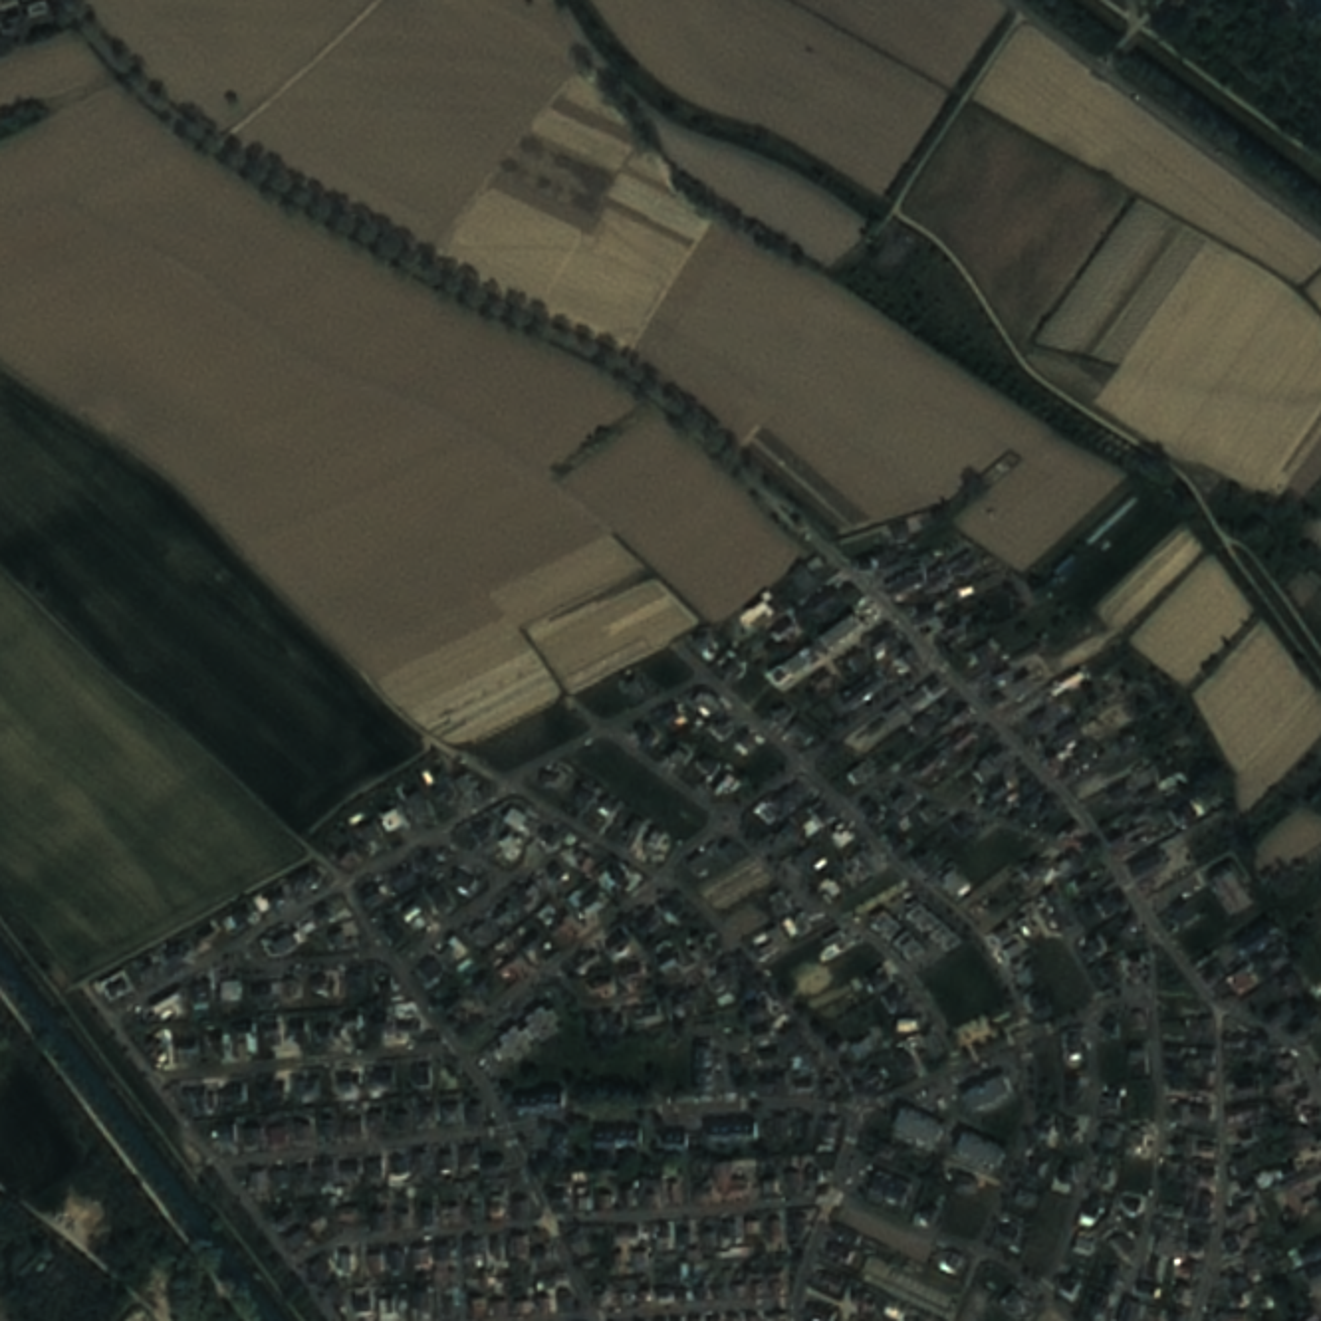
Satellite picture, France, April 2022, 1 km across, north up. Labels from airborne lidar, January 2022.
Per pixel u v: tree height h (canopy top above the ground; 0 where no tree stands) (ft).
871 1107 0
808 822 0
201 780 0
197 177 0
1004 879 0
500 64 0
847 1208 0
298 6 0
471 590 0
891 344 0
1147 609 0
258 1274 20
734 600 0
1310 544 29
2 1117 0
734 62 0
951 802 0
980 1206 0
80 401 0
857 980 0
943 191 0
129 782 0
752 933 0
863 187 0
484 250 0
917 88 0
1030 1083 0
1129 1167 0
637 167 0
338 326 0
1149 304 0
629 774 0
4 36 32
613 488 0
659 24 0
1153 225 0
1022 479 0
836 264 0
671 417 0
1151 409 0
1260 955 62
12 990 28
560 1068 0
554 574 0
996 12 0
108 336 0
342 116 0
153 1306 55
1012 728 0
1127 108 0
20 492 0
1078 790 0
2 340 0
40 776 0
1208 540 0
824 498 0
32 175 0
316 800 0
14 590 0
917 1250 0
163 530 0
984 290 0
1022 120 0
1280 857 0
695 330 0
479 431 0
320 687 0
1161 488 0
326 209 64
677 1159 35
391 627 0
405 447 0
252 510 0
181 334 0
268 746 0
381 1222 0
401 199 0
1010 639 0
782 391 0
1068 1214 0
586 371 0
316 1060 0
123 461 0
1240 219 0
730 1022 0
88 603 0
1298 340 0
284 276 0
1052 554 0
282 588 0
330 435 0
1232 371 0
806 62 0
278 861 0
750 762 0
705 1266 0
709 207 54
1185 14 67
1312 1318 0
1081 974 0
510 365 0
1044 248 0
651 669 0
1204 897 0
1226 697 0
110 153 0
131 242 0
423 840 0
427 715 0
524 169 0
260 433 0
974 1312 0
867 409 0
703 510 0
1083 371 0
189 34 0
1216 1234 0
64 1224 0
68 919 0
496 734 0
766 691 0
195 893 0
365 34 0
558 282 0
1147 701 36
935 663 0
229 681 0
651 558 0
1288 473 0
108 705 0
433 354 0
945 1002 0
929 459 0
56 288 0
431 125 0
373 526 0
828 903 0
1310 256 0
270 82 0
